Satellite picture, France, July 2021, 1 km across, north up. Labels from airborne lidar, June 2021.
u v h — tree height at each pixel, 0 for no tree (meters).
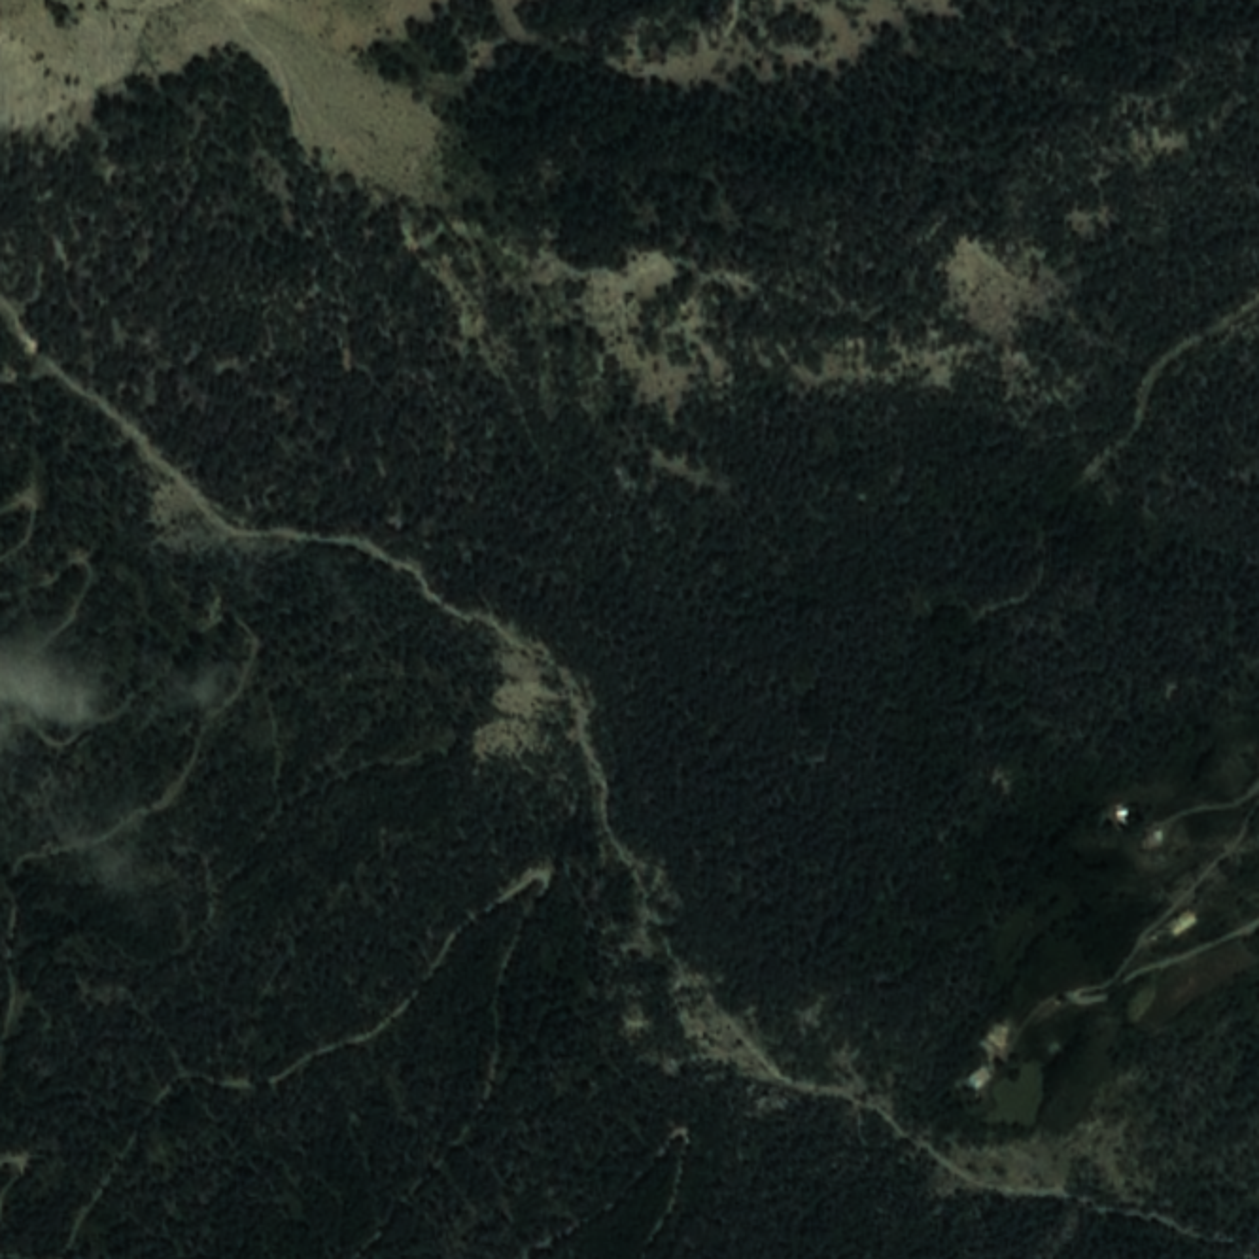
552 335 14
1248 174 6
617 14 16
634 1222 13
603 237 10
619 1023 14
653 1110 15
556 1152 15
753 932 13
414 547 10
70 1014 11
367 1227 15
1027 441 10
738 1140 19
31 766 9
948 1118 11
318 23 0
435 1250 17
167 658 23
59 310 15
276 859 7
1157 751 9
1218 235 6
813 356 8
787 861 9
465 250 7
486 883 12
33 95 0
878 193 11
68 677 10
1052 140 7
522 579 17
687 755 13
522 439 7
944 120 13
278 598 17
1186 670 15
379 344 10
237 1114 7
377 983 8
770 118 23
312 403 13
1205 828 0
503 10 0
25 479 5
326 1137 8
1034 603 12
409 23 7
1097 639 10
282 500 16
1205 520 8
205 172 15
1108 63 21
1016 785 7
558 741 6
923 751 8
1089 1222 11
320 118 0
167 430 15
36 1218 14
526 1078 8
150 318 9
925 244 7
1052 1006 0
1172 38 14
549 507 13
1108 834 11
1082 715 9
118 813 7
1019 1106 0
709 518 8
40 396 12
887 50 18
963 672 10
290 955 15
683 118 23
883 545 12
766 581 17
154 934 14
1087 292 8
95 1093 12
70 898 9
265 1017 7
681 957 17
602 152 21
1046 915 9
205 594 14
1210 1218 15
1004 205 7
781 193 9
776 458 12
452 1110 17
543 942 7
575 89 15
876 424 12
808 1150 10
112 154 12
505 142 14
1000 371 8
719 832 10
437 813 9
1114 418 8
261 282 9
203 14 0
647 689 14
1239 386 6
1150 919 6
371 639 19
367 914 7
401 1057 7
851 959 11
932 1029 11
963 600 10
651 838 8
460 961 10
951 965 11
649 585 12
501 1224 16
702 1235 18
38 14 0
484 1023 14
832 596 13
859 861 14
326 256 12
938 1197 6
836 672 13
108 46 0
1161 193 9
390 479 10
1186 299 10
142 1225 8
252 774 7
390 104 0
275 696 14
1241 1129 9
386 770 9
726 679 13
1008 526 11
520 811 7
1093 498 7
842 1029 6
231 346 11
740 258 16
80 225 8
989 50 8
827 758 10
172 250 14
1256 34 9
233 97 7
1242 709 7
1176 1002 0
